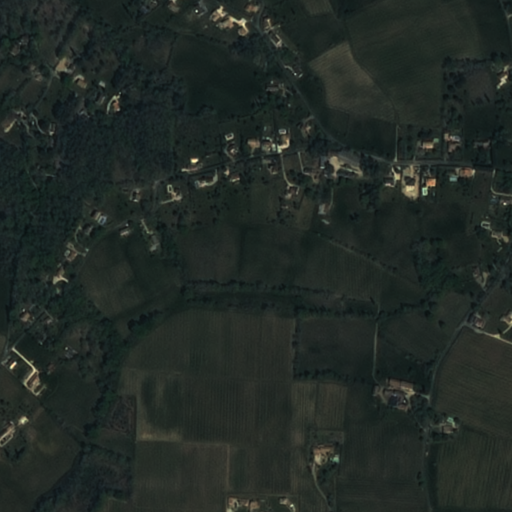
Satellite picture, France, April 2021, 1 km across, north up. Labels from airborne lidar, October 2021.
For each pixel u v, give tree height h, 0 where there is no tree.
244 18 0
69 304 18
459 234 0
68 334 11
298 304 0
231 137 0
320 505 0
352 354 0
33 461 0
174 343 0
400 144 12
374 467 0
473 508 0
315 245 0
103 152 19
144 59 0
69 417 0
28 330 7
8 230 19
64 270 13
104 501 13
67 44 17
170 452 0
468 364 0
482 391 0
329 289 0
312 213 0
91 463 11
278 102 14
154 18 0
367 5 0
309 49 0
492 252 0
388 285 0
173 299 0
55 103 0
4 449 0
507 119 0
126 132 22
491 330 0
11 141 0
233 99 0
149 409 0
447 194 0
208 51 0
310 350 0
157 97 18
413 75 0
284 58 13
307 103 0
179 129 8
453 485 0
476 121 0
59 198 12
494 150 9
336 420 0
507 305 0
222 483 0
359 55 0
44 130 13
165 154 17
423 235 0
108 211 0
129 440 0
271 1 0
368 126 0
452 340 0
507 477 0
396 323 0
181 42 0
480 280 0
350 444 0
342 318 12
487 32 0
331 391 0
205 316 0
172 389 0
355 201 0
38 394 0
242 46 15
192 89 0
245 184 9
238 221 0
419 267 23
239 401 0
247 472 0
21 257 20
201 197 0
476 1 0
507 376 0
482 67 12
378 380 0
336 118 0
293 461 0
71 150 19
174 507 0
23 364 6
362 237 0
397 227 0
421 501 0
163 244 13
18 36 8
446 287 20
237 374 0
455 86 6
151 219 19
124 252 0
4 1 19
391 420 0
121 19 0
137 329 24
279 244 0
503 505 0
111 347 20
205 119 8
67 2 19
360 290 0
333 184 10
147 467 0
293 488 0
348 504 0
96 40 23
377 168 12
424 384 0
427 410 10
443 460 0
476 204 0
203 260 0
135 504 0
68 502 8
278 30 0
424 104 0
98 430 18
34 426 0
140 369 0
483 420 0
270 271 0
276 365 0
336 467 7
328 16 0
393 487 0
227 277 0
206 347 0
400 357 0
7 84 0
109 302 0
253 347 0
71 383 0
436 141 0
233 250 0
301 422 0
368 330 0
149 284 0
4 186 23
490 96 0
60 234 9
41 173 13
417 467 0
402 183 0
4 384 0
